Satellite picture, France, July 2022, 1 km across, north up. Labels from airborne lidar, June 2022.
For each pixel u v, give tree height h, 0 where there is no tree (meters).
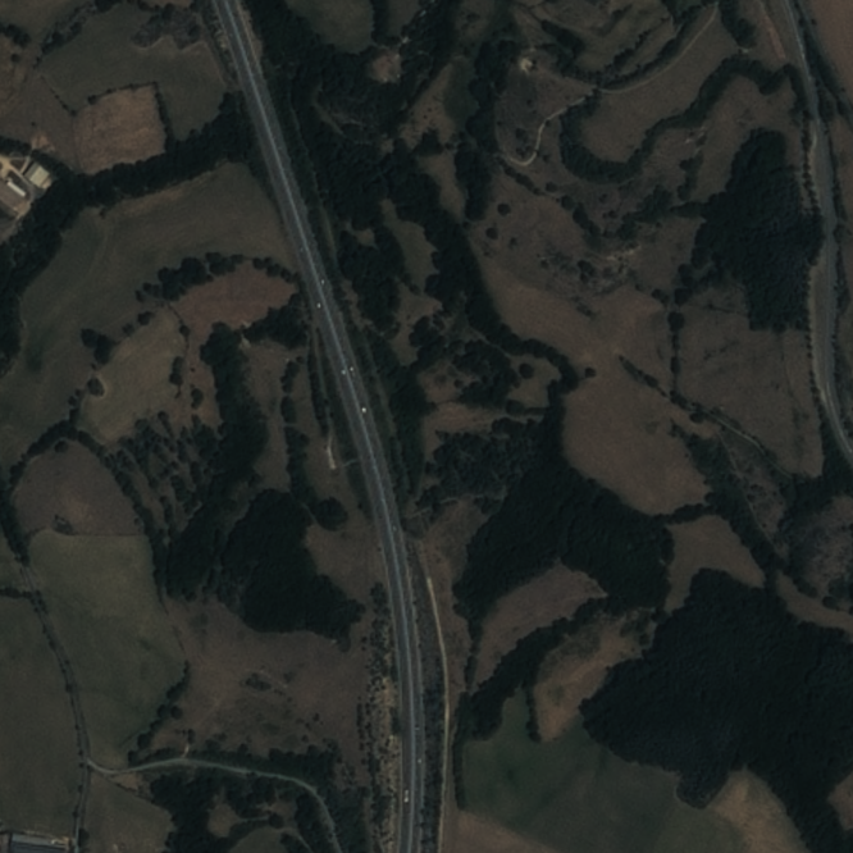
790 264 6
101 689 0
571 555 14
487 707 16
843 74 0
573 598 0
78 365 0
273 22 20
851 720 15
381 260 23
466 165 17
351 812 6
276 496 19
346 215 20
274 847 0
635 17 0
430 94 0
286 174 0
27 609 0
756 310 9
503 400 7
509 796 0
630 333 0
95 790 0
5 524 13
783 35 0
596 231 11
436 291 16
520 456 7
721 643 14
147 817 0
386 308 9
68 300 0
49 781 0
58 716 0
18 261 18
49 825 0
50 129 0
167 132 10
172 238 0
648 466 0
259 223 0
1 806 0
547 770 0
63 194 15
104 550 0
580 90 0
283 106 9
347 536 0
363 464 0
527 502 21
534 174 0
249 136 8
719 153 0
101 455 11
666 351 0
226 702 0
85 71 0
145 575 0
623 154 0
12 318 24
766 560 13
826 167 0
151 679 0
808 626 19
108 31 0
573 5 0
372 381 9
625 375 0
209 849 18
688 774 10
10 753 0
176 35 0
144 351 0
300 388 0
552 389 13
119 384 0
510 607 0
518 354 12
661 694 16
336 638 7
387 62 0
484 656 0
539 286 0
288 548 14
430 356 22
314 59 16
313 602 14
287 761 11
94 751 0
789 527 13
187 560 15
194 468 10
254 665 0
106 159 0
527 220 0
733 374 0
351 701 0
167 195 0
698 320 0
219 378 13
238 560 12
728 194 10
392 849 0
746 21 8
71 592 0
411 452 9
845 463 7
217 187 0
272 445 0
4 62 0
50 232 16
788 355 0
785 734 17
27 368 0
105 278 0
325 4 0
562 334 0
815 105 0
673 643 17
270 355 0
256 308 0
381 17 18
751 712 17
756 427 0
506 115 0
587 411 0
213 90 0
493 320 18
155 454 9
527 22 0
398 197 23
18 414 0
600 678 0
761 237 12
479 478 14
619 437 0
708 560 0
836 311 0
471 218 14
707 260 11
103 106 0
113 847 0
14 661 0
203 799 14
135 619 0
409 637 0
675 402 9
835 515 0
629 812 0
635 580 20
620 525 19
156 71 0
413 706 0
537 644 16
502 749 0
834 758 10
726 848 0
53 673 0
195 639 0
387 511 0
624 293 0
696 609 17
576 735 0
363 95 12
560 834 0
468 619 12
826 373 0
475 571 12
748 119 0
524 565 13
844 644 12
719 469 7
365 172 26
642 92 0
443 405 0
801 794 9
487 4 0
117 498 0
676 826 0
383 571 0
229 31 0
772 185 10
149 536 10
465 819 0
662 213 12
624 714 19
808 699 19
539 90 0
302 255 0
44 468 0
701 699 11
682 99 0
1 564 0
